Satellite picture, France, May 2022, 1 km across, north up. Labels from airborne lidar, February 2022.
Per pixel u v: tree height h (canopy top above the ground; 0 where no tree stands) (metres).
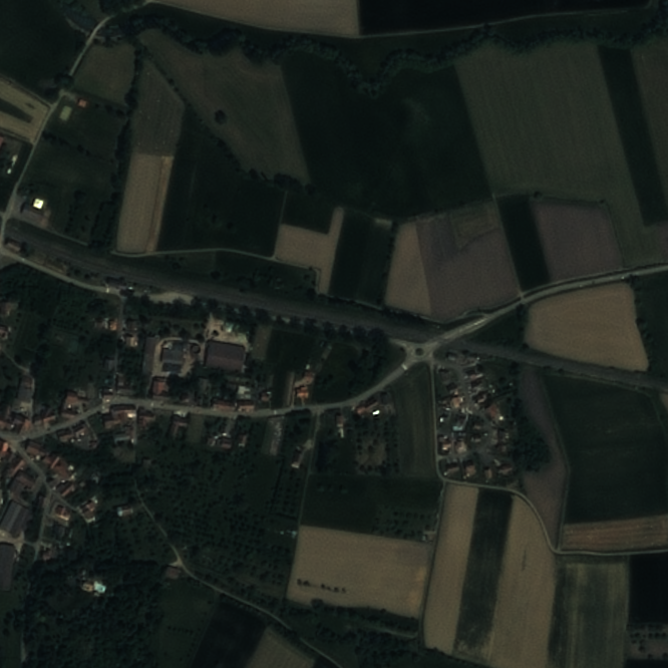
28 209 0
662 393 0
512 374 12
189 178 0
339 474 0
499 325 0
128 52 0
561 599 0
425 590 0
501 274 0
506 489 0
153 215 0
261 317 20
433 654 9
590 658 0
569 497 0
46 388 0
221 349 0
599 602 0
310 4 0
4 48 0
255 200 0
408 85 0
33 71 0
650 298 0
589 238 0
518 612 0
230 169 0
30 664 13
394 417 8
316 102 0
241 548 7
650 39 16
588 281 0
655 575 0
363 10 0
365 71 0
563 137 0
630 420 0
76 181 0
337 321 0
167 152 0
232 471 0
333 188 0
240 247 0
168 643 0
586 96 0
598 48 0
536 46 16
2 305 0
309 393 0
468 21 0
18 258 0
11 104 0
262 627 0
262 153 0
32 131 0
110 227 9
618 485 0
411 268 0
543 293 0
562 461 0
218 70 0
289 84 0
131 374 6
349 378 0
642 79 0
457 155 0
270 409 0
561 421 0
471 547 0
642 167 0
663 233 0
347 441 0
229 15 0
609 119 0
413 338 0
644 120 0
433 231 0
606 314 0
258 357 0
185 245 0
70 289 8
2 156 7
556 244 0
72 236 0
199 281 0
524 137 0
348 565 0
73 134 0
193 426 0
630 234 0
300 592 0
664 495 0
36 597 6
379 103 0
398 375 0
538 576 0
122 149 16
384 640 15
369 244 0
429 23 0
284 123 0
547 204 0
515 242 0
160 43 0
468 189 0
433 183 0
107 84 0
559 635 0
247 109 0
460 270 0
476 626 0
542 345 0
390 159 0
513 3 0
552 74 0
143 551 0
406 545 0
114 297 0
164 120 0
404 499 0
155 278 0
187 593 0
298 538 0
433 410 0
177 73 0
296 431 13
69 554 14
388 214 0
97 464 7
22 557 9
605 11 0
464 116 0
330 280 0
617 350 0
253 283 14
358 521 0
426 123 0
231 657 0
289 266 0
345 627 0
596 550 0
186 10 0
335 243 0
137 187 0
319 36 0
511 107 0
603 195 0
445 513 0
